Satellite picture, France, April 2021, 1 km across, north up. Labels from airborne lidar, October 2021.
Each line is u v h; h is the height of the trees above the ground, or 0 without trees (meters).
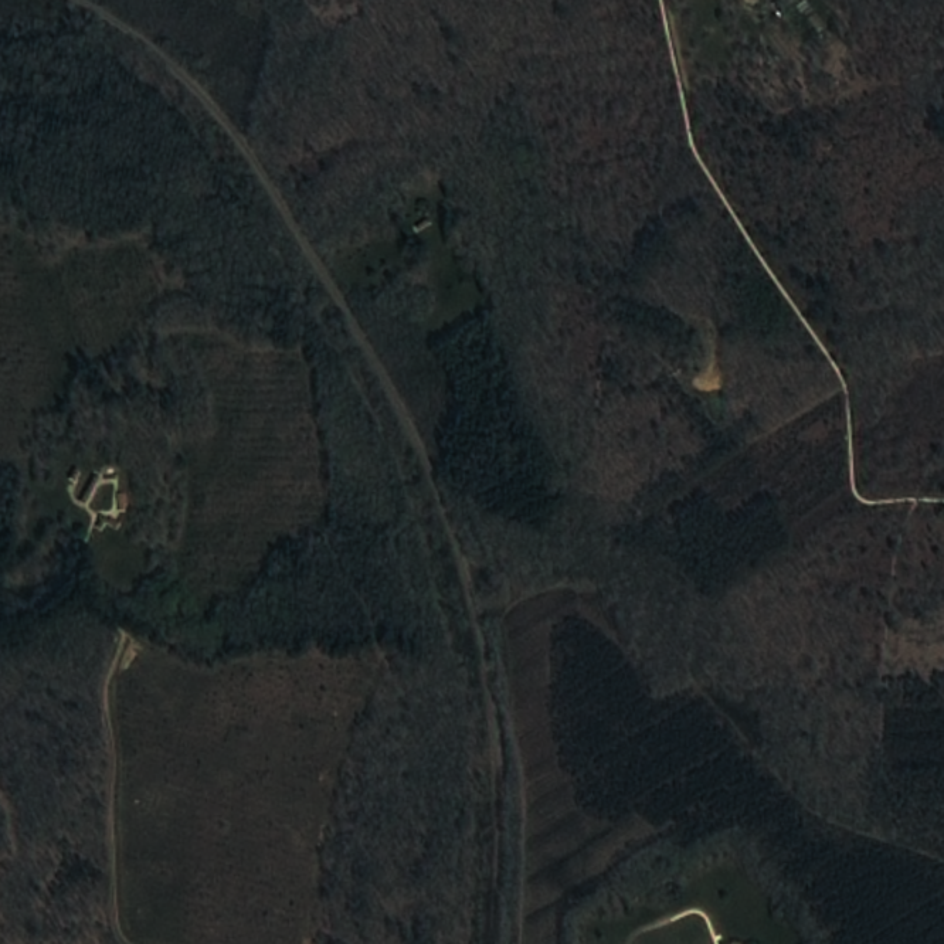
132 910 0
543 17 19
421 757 20
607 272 19
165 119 22
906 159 9
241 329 22
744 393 15
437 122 19
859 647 14
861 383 15
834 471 7
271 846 7
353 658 10
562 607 0
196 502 7
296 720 6
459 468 20
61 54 24
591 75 16
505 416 20
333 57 20
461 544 15
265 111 21
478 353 17
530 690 0
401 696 17
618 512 15
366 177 23
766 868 14
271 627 23
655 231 16
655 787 11
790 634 12
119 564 0
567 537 22
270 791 6
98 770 12
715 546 23
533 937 0
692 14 13
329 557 26
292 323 26
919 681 15
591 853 0
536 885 0
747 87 14
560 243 19
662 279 19
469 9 18
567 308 7
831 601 14
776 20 13
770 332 14
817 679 23
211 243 26
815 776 18
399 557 20
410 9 15
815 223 11
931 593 12
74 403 14
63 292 6
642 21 8
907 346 22
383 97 21
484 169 26
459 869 15
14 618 27
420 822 20
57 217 25
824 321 24
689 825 10
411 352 24
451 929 21
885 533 12
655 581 14
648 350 22
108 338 7
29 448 14
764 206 8
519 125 21
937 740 11
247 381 10
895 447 10
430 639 25
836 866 11
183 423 16
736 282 11
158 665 0
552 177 15
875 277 14
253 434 9
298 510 8
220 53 8
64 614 29
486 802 20
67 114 23
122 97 23
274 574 26
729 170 10
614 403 12
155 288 9
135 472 14
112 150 26
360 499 24
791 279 11
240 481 6
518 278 24
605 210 18
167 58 18
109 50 16
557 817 0
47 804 17
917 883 11
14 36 21
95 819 12
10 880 21
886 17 13
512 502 22
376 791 22
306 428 6
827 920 11
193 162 23
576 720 9
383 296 20
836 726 15
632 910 10
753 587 18
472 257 21
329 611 24
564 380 16
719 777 11
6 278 7
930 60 15
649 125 7
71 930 13
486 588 19
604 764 11
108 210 22
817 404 10
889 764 8
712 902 0
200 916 7
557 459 23
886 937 12
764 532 24
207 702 6
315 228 17
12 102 17
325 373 26
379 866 19
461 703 21
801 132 7
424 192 18
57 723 10
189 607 16
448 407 13
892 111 7
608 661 10
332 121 16
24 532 14
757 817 8
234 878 6
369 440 24
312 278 14
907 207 13
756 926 0
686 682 19
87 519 0
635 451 9
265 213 15
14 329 8
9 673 20
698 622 14
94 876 11
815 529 8
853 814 18
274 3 13
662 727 10
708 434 14
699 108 13
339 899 18
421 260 23
